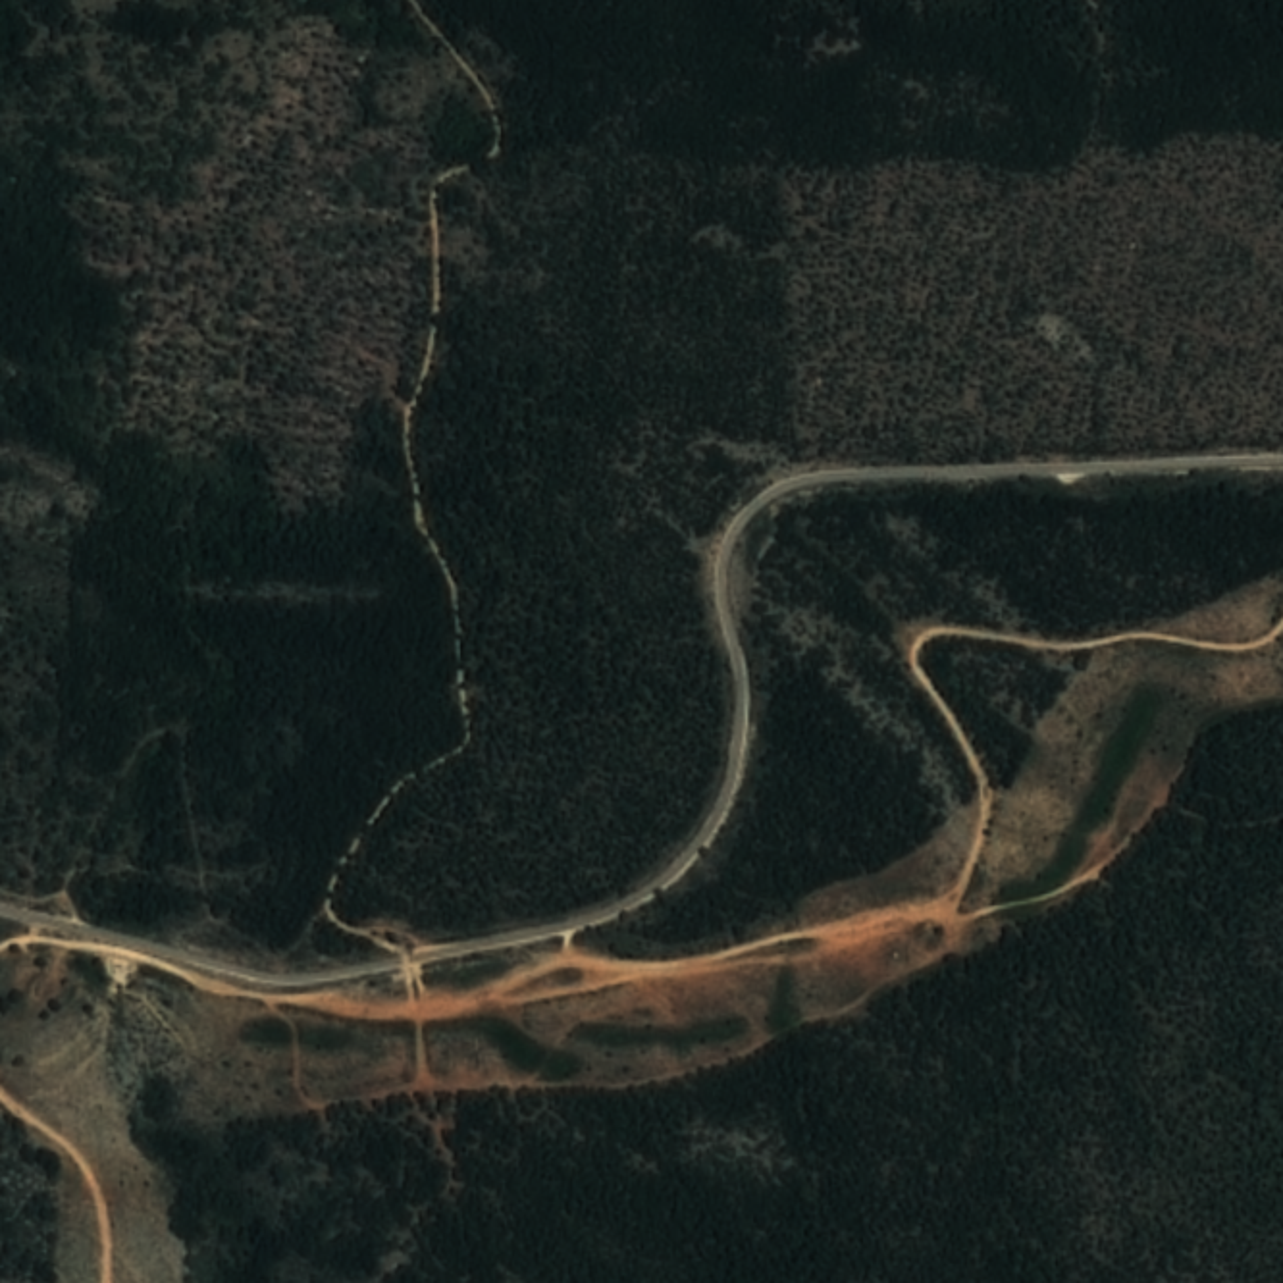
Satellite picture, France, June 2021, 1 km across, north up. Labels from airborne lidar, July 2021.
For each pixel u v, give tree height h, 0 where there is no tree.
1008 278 6
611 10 10
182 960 0
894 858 7
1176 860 12
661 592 6
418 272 6
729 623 0
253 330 11
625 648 10
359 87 7
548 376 11
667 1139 7
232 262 15
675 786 9
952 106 6
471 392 8
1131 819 0
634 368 7
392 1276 7
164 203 8
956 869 0
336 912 10
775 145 9
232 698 11
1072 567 8
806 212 10
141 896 6
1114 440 6
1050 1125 9
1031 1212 11
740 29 11
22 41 12
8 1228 6
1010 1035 9
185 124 6
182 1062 0
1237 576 8
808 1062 8
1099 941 9
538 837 11
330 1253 7
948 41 10
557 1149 6
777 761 11
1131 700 0
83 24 6
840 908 0
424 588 7
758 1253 12
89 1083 0
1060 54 10
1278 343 9
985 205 8
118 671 6
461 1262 7
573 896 8
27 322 12
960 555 6
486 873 8
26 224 9
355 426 8
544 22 14
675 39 7
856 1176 10
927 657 6
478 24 10
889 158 6
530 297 9
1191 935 9
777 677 11
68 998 0
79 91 7
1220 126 6
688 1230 9
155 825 6
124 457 8
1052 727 0
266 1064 0
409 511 8
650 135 7
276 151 5
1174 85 9
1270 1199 10
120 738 6
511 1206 9
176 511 11
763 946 0
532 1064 0
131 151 6
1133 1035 9
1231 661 0
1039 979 13
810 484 0
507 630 13
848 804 9
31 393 9
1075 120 7
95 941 0
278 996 0
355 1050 0
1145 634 0
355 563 5
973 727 6
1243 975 11
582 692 14
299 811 11
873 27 8
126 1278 0
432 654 9
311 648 8
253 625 7
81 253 11
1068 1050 11
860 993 0
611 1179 6
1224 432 7
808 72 7
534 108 7
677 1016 0
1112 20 9
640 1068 0
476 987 0
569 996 0
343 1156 10
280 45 6
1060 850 0
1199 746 11
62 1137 0
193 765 7
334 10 10
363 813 8
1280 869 8
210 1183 7
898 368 7
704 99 7
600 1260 5
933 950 0
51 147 9
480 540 8
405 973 0
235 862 8
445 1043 0
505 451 10
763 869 6
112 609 7
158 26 10
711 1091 6
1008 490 7
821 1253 8
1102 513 7
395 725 7
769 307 6
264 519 10
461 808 10
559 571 12
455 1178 7
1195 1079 10
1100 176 5
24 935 0
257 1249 7
